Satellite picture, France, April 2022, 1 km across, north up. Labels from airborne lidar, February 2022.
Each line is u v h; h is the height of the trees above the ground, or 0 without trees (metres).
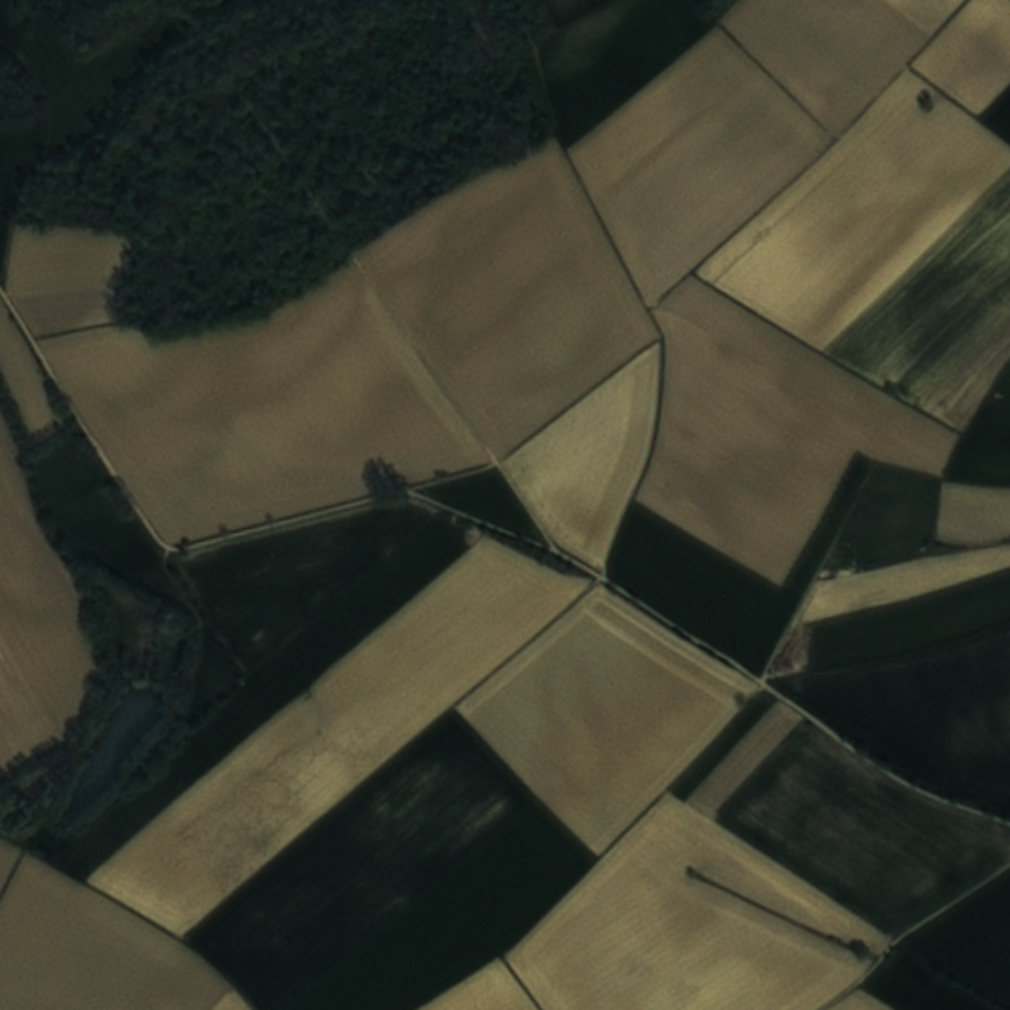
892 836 0
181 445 0
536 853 0
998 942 0
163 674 19
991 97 0
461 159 24
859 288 0
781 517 0
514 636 0
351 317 0
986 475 0
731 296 0
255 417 0
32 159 0
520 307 0
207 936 0
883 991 0
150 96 25
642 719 0
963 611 0
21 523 0
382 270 0
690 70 0
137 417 0
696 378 0
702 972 0
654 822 0
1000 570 0
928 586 0
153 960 0
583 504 0
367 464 0
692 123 0
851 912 0
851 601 0
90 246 0
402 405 0
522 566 0
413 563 0
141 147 6
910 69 0
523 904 0
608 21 0
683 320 0
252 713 0
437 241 0
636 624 0
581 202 0
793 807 0
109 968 0
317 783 0
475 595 0
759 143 0
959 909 0
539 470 0
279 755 0
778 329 0
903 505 0
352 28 29
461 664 0
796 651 0
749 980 0
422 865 0
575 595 0
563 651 0
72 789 18
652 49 0
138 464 0
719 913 0
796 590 0
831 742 0
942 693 0
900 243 0
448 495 0
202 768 0
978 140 0
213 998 0
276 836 0
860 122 0
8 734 0
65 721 0
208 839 0
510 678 0
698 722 0
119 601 0
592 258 0
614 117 0
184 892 0
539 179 0
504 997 0
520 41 27
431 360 0
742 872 0
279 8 32
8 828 19
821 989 0
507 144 24
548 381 0
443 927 0
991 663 0
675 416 0
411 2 30
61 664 0
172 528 0
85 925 0
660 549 0
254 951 0
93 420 0
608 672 0
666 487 0
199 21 29
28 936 0
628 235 0
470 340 0
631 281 0
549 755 0
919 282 0
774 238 0
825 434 0
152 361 0
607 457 0
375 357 0
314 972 0
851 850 0
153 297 15
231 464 0
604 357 0
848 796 0
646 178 0
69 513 0
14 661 0
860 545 0
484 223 0
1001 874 0
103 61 0
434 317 0
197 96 13
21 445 15
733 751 0
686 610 0
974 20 0
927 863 0
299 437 0
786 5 0
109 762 0
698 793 0
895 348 0
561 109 0
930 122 0
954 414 0
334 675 0
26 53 0
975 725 0
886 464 0
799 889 0
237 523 0
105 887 0
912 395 0
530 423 0
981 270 0
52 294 0
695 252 0
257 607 0
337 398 0
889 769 7
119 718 0
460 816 0
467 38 30
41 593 0
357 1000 0
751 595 0
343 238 22
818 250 0
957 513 0
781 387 0
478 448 0
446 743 0
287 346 0
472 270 0
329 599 0
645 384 0
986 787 0
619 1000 0
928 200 0
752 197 0
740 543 0
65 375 0
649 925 0
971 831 0
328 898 0
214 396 0
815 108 0
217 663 0
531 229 0
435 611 0
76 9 22
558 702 0
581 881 0
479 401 0
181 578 12
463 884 0
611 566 0
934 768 0
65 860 0
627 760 0
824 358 0
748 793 0
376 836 0
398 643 0
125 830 0
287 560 0
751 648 0
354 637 0
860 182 0
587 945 0
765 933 0
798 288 0
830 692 0
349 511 0
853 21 0
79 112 0
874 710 0
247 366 0
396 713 0
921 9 0
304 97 26
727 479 0
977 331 0
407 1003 0
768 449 0
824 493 0
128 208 29
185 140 27
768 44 0
